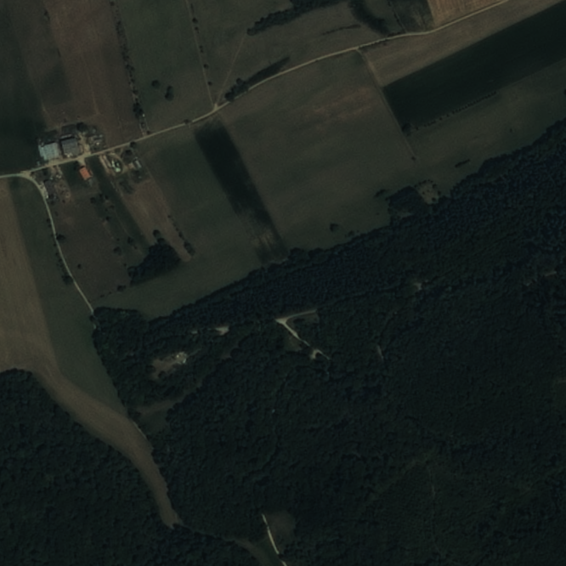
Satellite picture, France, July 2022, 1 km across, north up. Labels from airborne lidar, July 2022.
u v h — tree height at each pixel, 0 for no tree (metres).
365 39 0
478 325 21
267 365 10
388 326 7
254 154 0
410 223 18
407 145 0
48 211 0
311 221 0
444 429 19
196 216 0
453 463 9
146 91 0
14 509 26
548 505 6
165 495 0
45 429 17
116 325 21
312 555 11
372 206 0
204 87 0
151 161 0
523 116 0
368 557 23
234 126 0
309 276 23
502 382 16
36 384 20
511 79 0
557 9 0
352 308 19
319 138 0
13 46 0
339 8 0
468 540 6
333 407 20
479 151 0
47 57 0
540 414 25
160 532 19
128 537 23
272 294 25
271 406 16
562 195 19
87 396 0
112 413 0
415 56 0
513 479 18
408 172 0
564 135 18
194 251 7
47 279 0
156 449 8
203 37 0
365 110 0
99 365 0
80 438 25
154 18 0
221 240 0
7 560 23
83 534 21
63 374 0
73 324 0
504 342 23
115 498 26
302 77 0
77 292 0
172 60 0
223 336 10
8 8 0
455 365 22
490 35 0
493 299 22
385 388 21
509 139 0
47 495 24
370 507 7
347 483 26
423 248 21
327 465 26
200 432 19
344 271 21
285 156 0
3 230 0
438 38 0
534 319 28
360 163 0
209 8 0
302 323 15
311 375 17
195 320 19
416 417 19
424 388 20
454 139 0
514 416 19
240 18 0
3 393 18
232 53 0
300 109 0
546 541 18
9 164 0
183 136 0
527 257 10
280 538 10
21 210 0
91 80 0
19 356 0
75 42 0
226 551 18
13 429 21
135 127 0
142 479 17
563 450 28
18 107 0
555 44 0
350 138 0
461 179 0
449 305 20
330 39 0
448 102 0
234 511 24
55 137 0
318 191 0
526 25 0
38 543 25
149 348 17
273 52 0
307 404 20
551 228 6
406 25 0
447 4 0
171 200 0
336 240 0
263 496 28
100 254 0
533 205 13
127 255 0
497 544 11
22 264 0
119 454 16
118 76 0
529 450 17
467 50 0
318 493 14
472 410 14
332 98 0
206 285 0
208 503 18
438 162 0
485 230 13
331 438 21
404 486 6
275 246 0
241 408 21
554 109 0
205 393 24
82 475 19
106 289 0
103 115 0
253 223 0
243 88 14
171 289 0
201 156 0
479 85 0
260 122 0
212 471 21
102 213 0
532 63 0
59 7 0
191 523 23
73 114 0
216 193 0
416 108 0
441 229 22
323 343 20
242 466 20
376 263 18
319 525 17
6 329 0
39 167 0
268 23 11
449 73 0
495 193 21
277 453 16
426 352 19
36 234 0
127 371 19
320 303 19
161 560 29
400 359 19
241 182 0
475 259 8
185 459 18
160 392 15
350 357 22
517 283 26
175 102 0
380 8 0
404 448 24
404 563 24
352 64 0
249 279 8
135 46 0
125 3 0
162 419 0
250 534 16
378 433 22
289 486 16
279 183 0
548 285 29
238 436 23
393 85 0
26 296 0
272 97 0
